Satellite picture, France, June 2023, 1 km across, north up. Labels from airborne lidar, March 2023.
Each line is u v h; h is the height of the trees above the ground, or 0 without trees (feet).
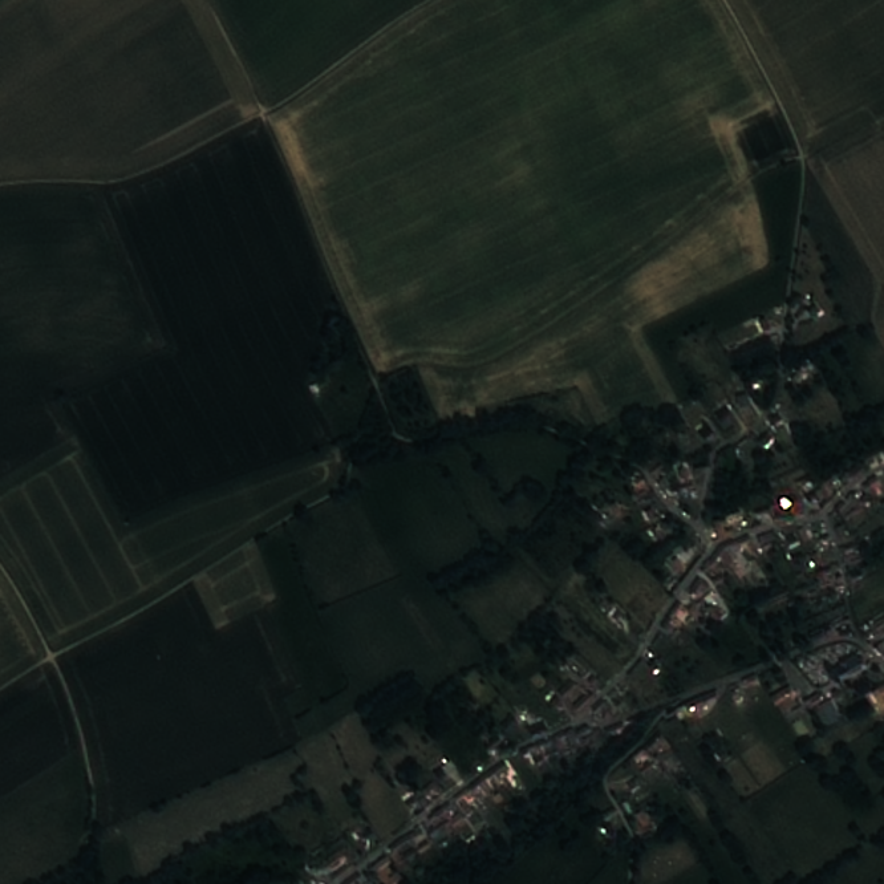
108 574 0
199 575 0
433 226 0
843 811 0
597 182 0
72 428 0
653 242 0
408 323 0
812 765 38
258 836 52
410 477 0
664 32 0
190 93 0
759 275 0
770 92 0
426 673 0
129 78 0
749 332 0
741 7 0
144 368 0
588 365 0
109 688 0
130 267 0
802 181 0
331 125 0
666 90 0
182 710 0
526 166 0
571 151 0
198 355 0
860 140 0
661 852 0
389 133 0
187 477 0
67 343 0
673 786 0
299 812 0
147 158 0
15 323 0
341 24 0
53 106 0
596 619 0
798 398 40
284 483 0
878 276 0
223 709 0
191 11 0
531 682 0
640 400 0
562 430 52
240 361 0
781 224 0
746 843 0
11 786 0
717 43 0
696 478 0
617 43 0
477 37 0
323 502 0
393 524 0
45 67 0
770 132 0
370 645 0
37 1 0
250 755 0
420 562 0
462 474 0
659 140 0
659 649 0
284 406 0
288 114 0
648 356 0
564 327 0
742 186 0
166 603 0
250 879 74
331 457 0
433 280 0
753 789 0
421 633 0
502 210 0
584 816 45
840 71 0
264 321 0
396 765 26
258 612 0
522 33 0
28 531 0
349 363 0
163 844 0
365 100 0
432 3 0
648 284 0
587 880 0
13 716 0
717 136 0
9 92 0
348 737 0
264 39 0
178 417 0
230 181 0
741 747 0
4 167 0
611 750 34
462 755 0
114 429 0
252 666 0
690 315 0
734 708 0
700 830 0
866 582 0
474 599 0
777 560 0
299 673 0
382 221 0
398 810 0
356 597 0
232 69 0
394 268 0
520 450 0
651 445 45
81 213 0
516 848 34
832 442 0
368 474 0
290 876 22
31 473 0
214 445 0
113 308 0
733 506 20
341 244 0
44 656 0
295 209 0
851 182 0
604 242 0
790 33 0
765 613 0
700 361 0
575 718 0
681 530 30
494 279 0
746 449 0
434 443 66
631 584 0
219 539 0
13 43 0
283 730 0
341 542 0
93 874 62
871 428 52
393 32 0
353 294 0
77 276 0
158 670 0
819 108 0
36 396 0
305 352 0
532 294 0
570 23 0
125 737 0
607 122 0
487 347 0
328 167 0
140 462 0
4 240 0
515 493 28
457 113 0
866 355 0
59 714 0
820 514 0
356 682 0
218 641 0
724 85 0
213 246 0
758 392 26
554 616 40
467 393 0
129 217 0
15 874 0
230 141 0
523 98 0
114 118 0
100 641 0
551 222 0
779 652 69
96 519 0
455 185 0
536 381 0
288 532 24
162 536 0
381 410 35
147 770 0
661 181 0
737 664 22
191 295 0
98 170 0
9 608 0
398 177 0
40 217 0
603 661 0
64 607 0
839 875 0
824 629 0
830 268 43
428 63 0
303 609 0
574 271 0
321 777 0
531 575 0
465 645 0
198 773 0
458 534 0
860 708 46
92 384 0
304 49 0
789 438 0
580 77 0
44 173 0
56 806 0
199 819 0
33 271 0
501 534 0
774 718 0
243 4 0
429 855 0
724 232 0
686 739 0
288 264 0
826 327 0
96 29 0
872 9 0
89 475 0
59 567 0
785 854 0
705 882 0
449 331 0
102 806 0
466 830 0
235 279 0
